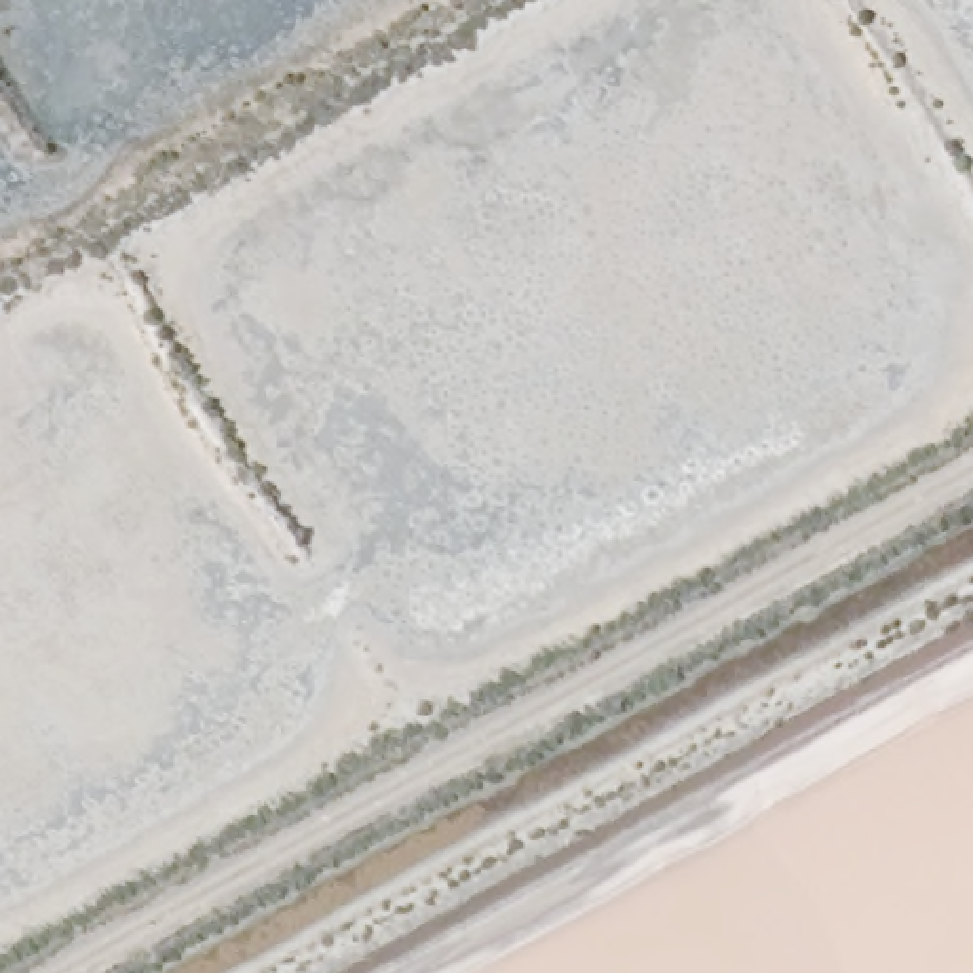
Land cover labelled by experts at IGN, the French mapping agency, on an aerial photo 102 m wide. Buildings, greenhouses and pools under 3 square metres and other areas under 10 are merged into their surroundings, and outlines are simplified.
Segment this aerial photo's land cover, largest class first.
<instances>
[{"label":"pervious surface","instance_id":"1","mask_svg":"<svg viewBox=\"0 0 973 973\"><path fill-rule=\"evenodd\" d=\"M403 19V8L395 0H0V61L19 80L27 103L42 110L53 125V141L38 148L0 95V258H11L23 247H30L38 232L80 224L99 205V198L129 190V152L175 137L182 125H194V133L201 137H213L236 95L277 87L285 72L334 68L342 49H353L357 42ZM125 247L141 255V266L160 289V308L171 315L182 342L194 350L205 380L213 384V395L236 418V429L247 441V456L266 464L285 502L312 528V547H300L293 540V532L270 509L255 483L236 479V460L228 456L217 422L205 414L194 384L175 369L167 342L148 323L144 296L122 262ZM973 414V0H517L502 19H490L475 34L471 49H460L452 61L426 65L407 80H391L376 99L350 106L331 125H315L289 152L255 163L247 175H236L220 190L194 194L190 205H182L179 213L141 224L137 232L118 239L110 255H91L76 270L49 274L46 285L34 293H0V950H8L11 943L46 924H57L68 912H80L110 886H122L141 870L171 863L190 844L217 836L224 825L255 813L258 806H274L285 794L308 787L315 775L331 772L346 753H361L384 730H399L407 722H437L445 703L471 699L479 684L502 677V669H521L532 654L547 646L582 639L593 623H608L639 601H646L650 593L669 589L677 578H692L703 566L722 563L749 540L794 521L813 506H825L829 498L870 479L874 471H886L889 464L905 460L912 448L950 437ZM973 494V448L962 452L954 464L924 475L908 490L817 532L798 547L779 551L772 563L737 578L722 593L684 604L661 627L642 631L639 639L616 646L601 661L582 665L566 680L517 696L513 703L475 718L467 730L448 734L445 741H429L410 764L327 802L304 821L266 836L258 848L213 859L186 886H167V893L152 897L144 908L76 935L61 954L46 958L30 973H110L125 965L137 950L160 946L179 927L217 908H228L236 897L274 882L281 870L304 863L315 848L334 844L376 817H388L418 802L426 791L483 768L487 756H502L528 745H532L544 734H551L566 715L585 711L616 692H627L650 669L715 642L734 623L772 608L775 601L794 597L798 589L821 582L832 570L851 566L859 555L924 525L927 517H939L946 506H962ZM973 612V559L950 566L931 582H920L916 589L886 601L863 620H851L844 631L772 665L768 673L737 688H726L722 696L707 699L684 718H673L646 741L494 817L471 836L433 851L418 867L353 897L350 905L327 912L293 939L228 973H331L342 962H353L365 950H376L388 939L410 931L426 916H437L460 905L464 897L479 893L483 886L513 874L536 855L570 844L582 829H593L639 806L642 798L661 794L696 768L756 737L775 718H791L813 699L829 696L832 688L851 684L863 673H874L927 646L954 620ZM973 692V650L897 688L893 696H867L855 718L840 722L836 730L821 734L798 753L745 775L734 787L711 783L673 802L669 810L639 821L616 840L585 851L563 870L517 889L513 897L490 905L467 924H456L426 946L380 965L376 973H475L506 954L502 946H525L574 916L593 912L639 878L661 870L669 859L726 840L737 825L794 794L798 787L836 772L840 764L863 756L867 749L897 737L901 730L931 718L935 711Z\"/></svg>","mask_w":973,"mask_h":973},{"label":"water","instance_id":"2","mask_svg":"<svg viewBox=\"0 0 973 973\"><path fill-rule=\"evenodd\" d=\"M973 559V528L950 536L939 547L920 551L908 566L836 601L829 612L806 623H791L772 642L722 661L718 669L703 673L692 688H680L669 699L623 718L589 745L566 749L559 756H540L532 745H528L525 753L532 756V768L521 772V779L509 791H498L483 802H464L448 813H433L426 829L407 832L403 840L380 851H365L319 874L315 886L300 889L293 901H274L243 924L228 927L224 935L190 946L179 962H171L167 973H228L293 939L327 912L350 905L353 897L418 867L433 851L471 836L494 817L646 741L673 718H684L707 699L722 696L726 688H737L768 673L772 665L844 631L851 620H863L886 601L916 589L920 582H931L950 566ZM973 650V612L954 620L927 646L874 673H863L851 684L832 688L829 696L813 699L791 718H775L756 737L696 768L661 794L642 798L639 806L593 829H582L570 844L536 855L513 874L483 886L479 893L464 897L460 905L437 916H426L410 931L388 939L376 950H365L353 962H342L331 973H376L380 965L426 946L456 924H467L490 905L513 897L517 889L563 870L585 851L616 840L639 821L669 810L673 802L711 783L734 787L745 775L798 753L821 734L836 730L840 722L855 718L867 696H893L897 688ZM506 954L475 973H973V692L935 711L931 718L901 730L897 737L867 749L863 756L840 764L836 772L798 787L794 794L737 825L726 840L669 859L661 870L639 878L593 912L574 916L525 946H502Z\"/></svg>","mask_w":973,"mask_h":973},{"label":"brushwood","instance_id":"3","mask_svg":"<svg viewBox=\"0 0 973 973\"><path fill-rule=\"evenodd\" d=\"M403 8V19L357 42L353 49H342L334 68L285 72L277 87L236 95L213 137H201L194 133V125H182L175 137L129 152V190L99 198V205L80 224L38 232L30 247H23L11 258H0V293H34L46 285L49 274L76 270L91 255H110L118 239L137 232L141 224L179 213L182 205H190L194 194L220 190L236 175H247L255 163L289 152L315 125H331L350 106L376 99L391 80H407L426 65L452 61L460 49H471L475 34L490 19H502L517 0H395ZM122 262L144 296L148 323L167 342L175 369L194 384L205 414L217 422L228 456L236 460V479L255 483L270 509L293 532V540L300 547H312V528L285 502L266 464L247 456V441L236 429V418L213 395V384L205 380L194 350L182 342L171 315L160 308V289L141 266V255L125 247ZM973 448V414L950 437L912 448L905 460L889 464L886 471H874L870 479L829 498L825 506H813L794 521L749 540L722 563L703 566L692 578H677L669 589L650 593L646 601H639L608 623H593L582 639L547 646L532 654L521 669H502V677L479 684L471 699L445 703L437 722H407L399 730H384L361 753H346L331 772L315 775L308 787L285 794L274 806H258L255 813L224 825L217 836L190 844L171 863L141 870L122 886H110L80 912H68L57 924H46L11 943L8 950H0V973H30L46 958L61 954L76 935L144 908L152 897L167 893V886H186L213 859L258 848L266 836L304 821L327 802L410 764L429 741H445L448 734L467 730L475 718L513 703L517 696L566 680L582 665L601 661L616 646L639 639L642 631L661 627L684 604L722 593L737 578L772 563L779 551L798 547L817 532L908 490L924 475L954 464L962 452ZM973 528V494L962 506H946L939 517H927L924 525L859 555L851 566L832 570L821 582L798 589L794 597L775 601L772 608L734 623L715 642L650 669L627 692H616L585 711L566 715L551 734H544L532 745L540 756H559L566 749L589 745L623 718L669 699L680 688H692L703 673L718 669L722 661L772 642L791 623H806L829 612L836 601L908 566L920 551L939 547L950 536ZM528 745L502 756H487L483 768L426 791L418 802L388 817H376L334 844L315 848L304 863L281 870L274 882L236 897L228 908H217L179 927L160 946L137 950L125 965L110 973H167L171 962H179L190 946L224 935L228 927L243 924L274 901H293L300 889L315 886L319 874L365 851H380L403 840L407 832L426 829L433 813H448L464 802H483L498 791H509L521 779V772L532 768V756L525 753Z\"/></svg>","mask_w":973,"mask_h":973},{"label":"herbaceous vegetation","instance_id":"4","mask_svg":"<svg viewBox=\"0 0 973 973\"><path fill-rule=\"evenodd\" d=\"M0 95L38 148L53 141V125L42 110L27 103L19 80L0 61Z\"/></svg>","mask_w":973,"mask_h":973}]
</instances>
